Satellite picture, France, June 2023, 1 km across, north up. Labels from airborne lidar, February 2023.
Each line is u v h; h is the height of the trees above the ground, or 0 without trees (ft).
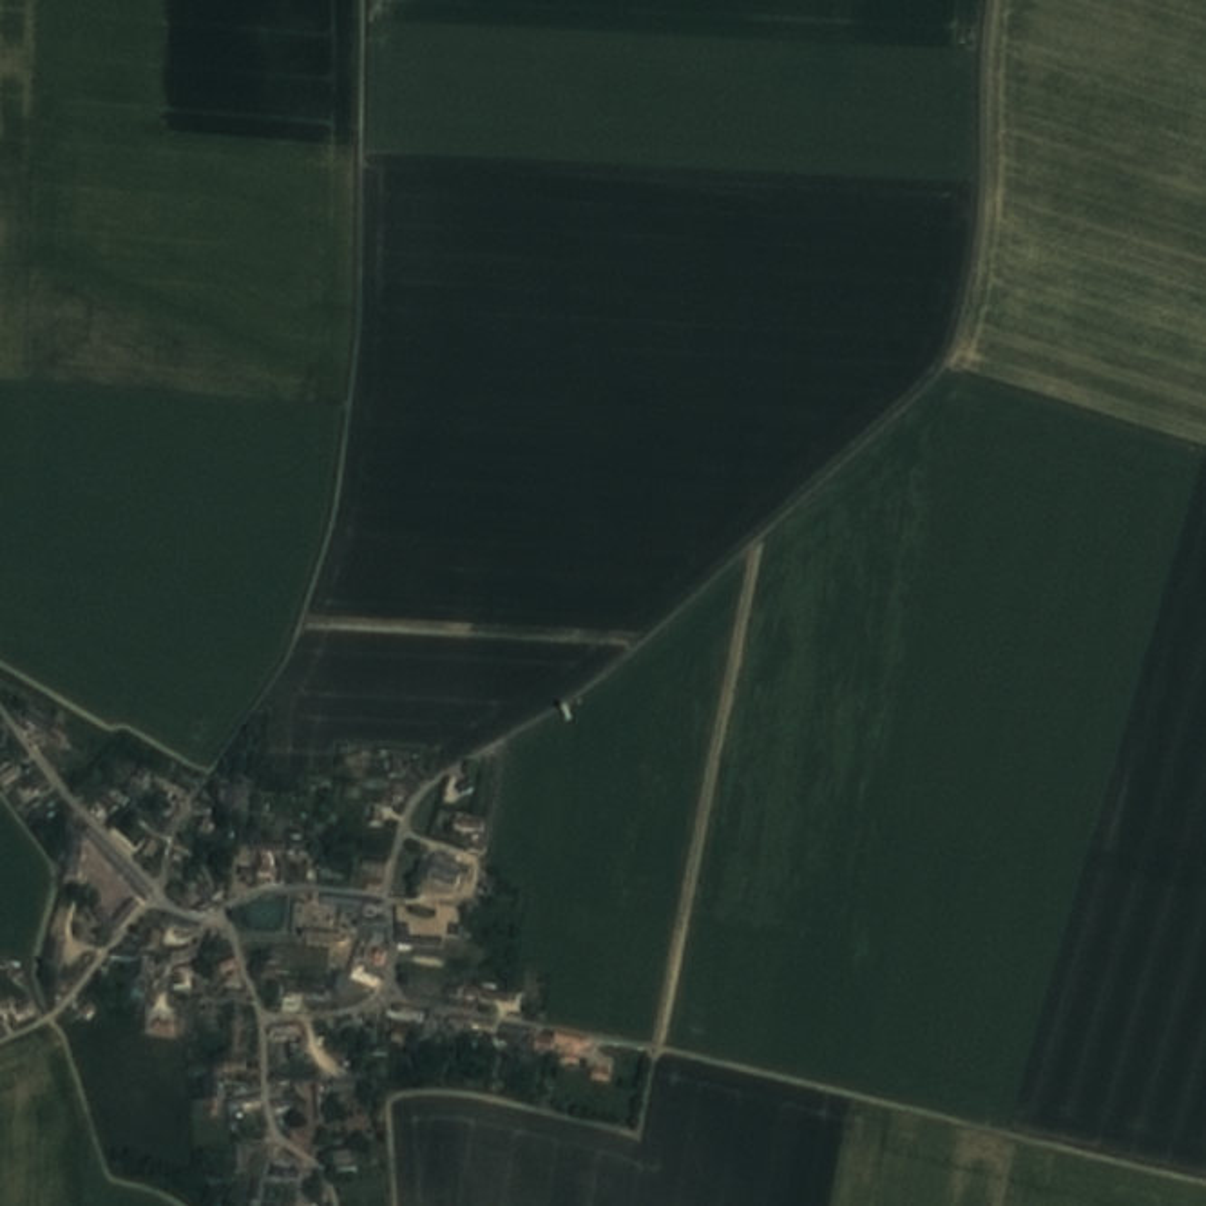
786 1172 0
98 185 0
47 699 0
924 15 0
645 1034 0
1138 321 0
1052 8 0
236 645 0
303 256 0
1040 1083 0
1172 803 0
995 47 0
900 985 0
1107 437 0
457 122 0
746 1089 0
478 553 0
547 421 0
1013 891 0
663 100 0
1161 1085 0
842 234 0
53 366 0
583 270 0
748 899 0
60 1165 0
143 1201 0
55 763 0
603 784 0
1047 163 0
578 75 0
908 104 0
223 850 19
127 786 24
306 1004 0
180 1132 0
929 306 0
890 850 0
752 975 0
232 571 0
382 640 0
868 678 0
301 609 0
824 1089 0
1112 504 0
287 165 0
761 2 0
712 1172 0
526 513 0
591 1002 0
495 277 0
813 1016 0
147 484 0
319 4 0
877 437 0
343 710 0
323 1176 36
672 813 0
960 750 0
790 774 0
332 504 0
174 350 0
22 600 0
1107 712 0
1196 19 0
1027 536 0
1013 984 0
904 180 0
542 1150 0
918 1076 0
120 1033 0
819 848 0
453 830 25
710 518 0
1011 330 0
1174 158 0
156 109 0
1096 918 0
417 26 0
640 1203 0
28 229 0
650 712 0
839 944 0
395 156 0
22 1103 0
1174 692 0
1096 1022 0
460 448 0
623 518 0
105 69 0
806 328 0
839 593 0
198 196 0
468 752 0
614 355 0
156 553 0
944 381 0
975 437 0
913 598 0
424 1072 32
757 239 0
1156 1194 0
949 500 0
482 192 0
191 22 0
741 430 0
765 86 0
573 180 0
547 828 0
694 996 0
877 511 0
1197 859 0
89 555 0
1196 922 0
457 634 0
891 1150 0
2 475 0
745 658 0
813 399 0
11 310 0
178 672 0
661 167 0
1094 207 0
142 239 0
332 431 0
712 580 0
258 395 0
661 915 0
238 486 0
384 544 0
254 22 0
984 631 0
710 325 0
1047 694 0
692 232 0
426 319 0
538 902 0
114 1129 0
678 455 0
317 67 0
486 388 0
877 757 0
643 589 0
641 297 0
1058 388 0
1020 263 0
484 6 0
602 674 0
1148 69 0
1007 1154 0
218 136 0
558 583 0
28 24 0
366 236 0
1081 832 0
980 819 0
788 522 0
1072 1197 0
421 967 0
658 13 0
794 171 0
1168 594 0
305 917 0
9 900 0
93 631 0
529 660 0
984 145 0
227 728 0
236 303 0
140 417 0
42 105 0
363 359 0
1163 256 0
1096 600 0
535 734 0
